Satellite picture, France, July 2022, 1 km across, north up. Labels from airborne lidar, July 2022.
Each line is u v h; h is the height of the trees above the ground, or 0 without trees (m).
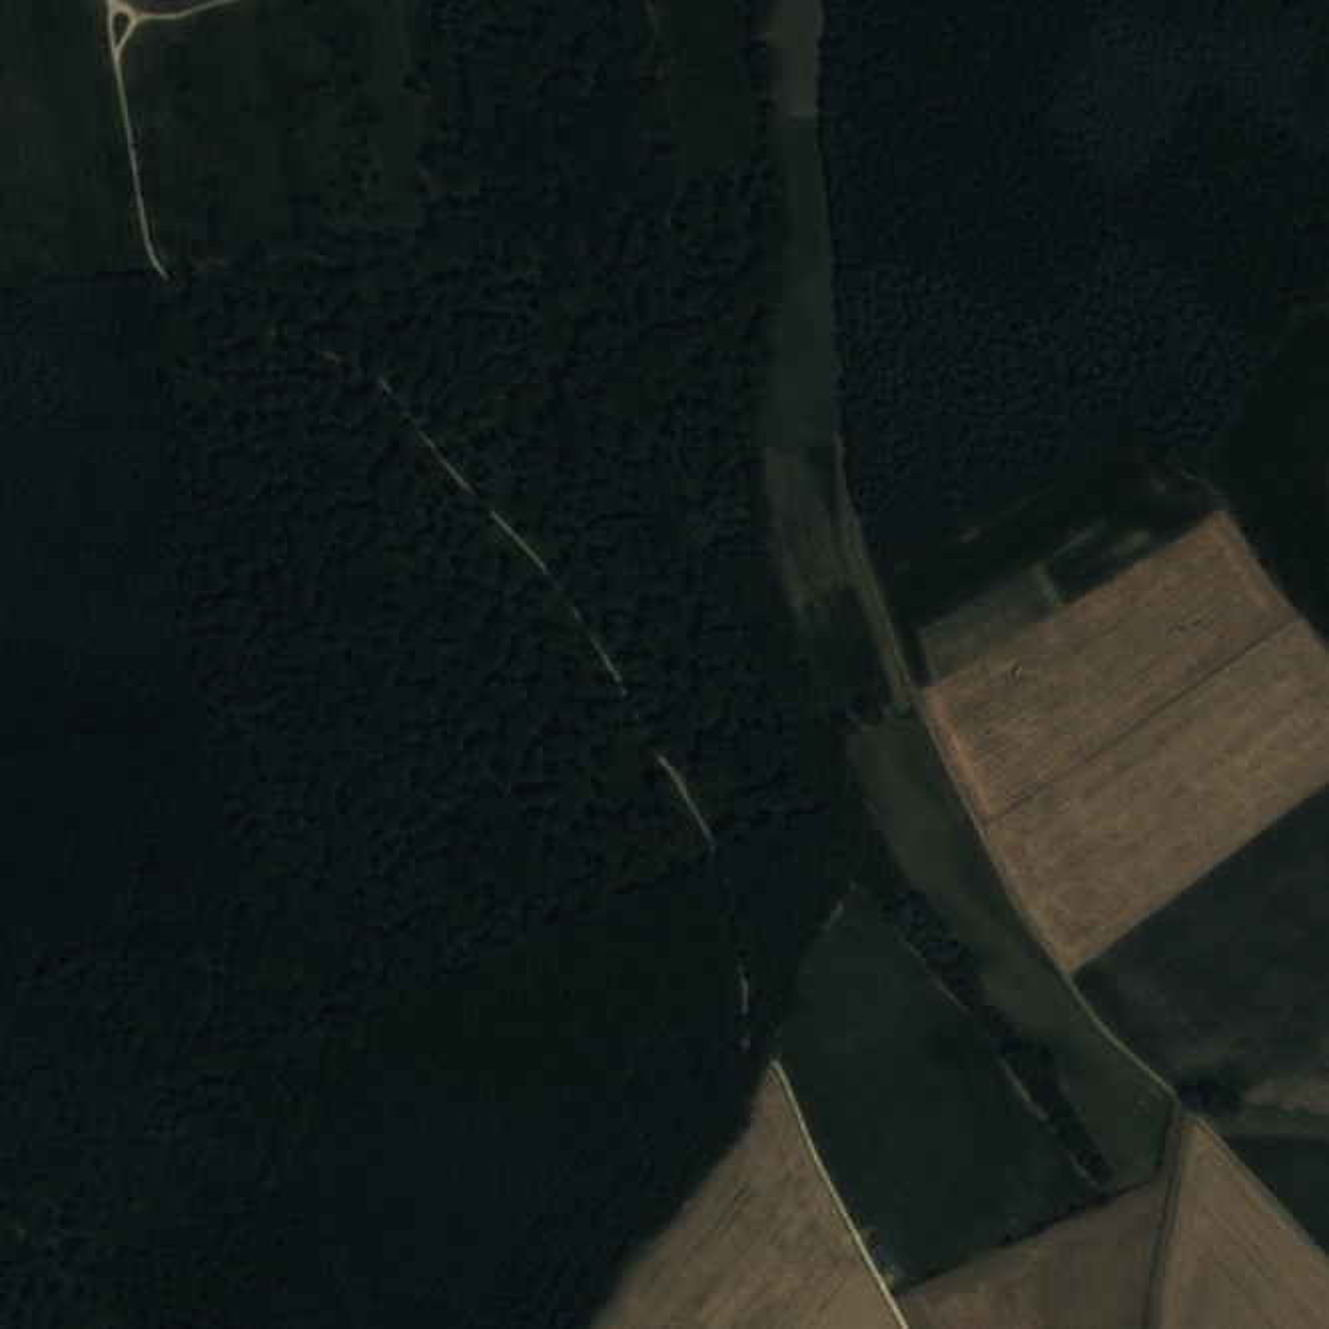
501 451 28
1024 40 23
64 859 24
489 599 24
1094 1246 0
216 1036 27
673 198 27
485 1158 18
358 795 25
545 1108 16
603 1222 17
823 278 0
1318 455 6
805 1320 0
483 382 26
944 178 22
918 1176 0
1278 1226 0
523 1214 17
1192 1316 0
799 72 0
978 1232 0
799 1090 0
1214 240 23
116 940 23
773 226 23
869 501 22
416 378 20
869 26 19
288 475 25
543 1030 17
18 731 26
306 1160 17
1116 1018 0
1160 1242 0
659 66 26
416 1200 16
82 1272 24
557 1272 15
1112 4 23
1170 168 23
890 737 0
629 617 26
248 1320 18
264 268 27
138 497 18
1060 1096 9
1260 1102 0
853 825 21
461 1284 18
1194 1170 0
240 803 21
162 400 21
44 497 18
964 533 15
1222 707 0
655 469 24
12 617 17
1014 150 23
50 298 19
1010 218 24
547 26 21
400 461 20
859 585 0
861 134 22
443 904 25
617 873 23
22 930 21
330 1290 17
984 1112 0
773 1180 0
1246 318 26
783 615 25
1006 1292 0
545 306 24
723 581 25
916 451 25
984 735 0
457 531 24
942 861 0
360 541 23
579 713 23
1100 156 20
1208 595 0
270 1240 27
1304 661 0
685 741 23
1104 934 0
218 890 22
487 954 18
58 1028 22
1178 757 0
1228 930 0
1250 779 0
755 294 24
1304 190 23
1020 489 22
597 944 17
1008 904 0
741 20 7
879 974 0
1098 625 0
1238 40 22
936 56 23
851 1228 0
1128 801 0
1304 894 0
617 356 27
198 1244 25
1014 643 0
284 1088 26
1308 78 18
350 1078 16
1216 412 23
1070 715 0
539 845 23
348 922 28
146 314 19
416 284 23
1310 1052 0
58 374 21
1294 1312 0
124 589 20
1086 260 25
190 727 27
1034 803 0
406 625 22
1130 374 24
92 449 19
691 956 18
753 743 29
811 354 0
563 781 24
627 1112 16
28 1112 24
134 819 23
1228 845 0
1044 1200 0
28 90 0
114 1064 22
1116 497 0
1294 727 0
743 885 19
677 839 24
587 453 25
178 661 16
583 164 28
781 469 0
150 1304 27
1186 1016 0
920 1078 0
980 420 27
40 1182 28
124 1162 23
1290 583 10
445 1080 13
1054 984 0
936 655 0
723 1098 17
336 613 20
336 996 26
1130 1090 0
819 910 16
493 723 21
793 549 0
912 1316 0
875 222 20
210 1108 22
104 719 22
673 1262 0
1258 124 22
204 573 20
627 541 27
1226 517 0
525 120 27
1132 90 19
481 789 22
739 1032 8
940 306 29
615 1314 0
